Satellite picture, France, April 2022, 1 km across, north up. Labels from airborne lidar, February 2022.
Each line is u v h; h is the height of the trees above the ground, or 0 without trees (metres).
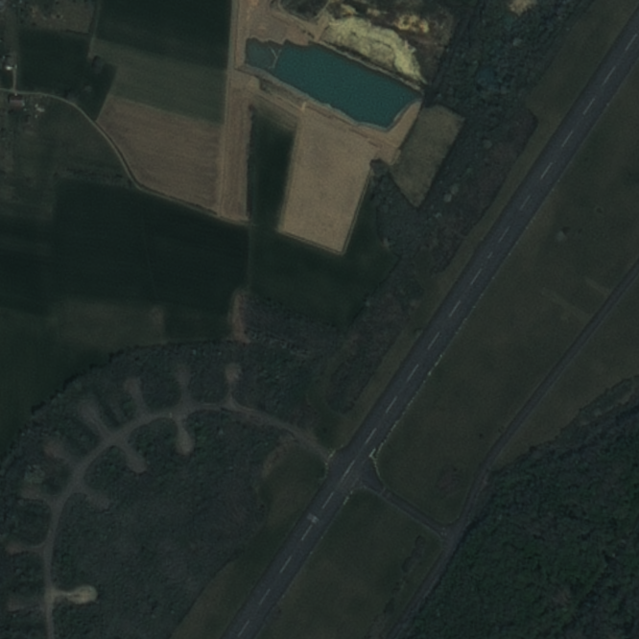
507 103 7
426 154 0
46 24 0
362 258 0
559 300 0
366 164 0
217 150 0
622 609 15
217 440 6
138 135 0
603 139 0
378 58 0
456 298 0
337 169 0
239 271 0
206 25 0
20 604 0
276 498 0
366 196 0
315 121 0
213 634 0
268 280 0
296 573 0
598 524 21
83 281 0
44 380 0
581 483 27
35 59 0
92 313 0
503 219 0
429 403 0
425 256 0
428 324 0
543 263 0
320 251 0
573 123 0
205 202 0
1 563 17
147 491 14
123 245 0
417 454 0
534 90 0
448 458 0
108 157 0
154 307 0
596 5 0
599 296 0
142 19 0
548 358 0
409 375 0
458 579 13
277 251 0
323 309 0
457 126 0
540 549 24
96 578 6
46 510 8
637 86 0
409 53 0
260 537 0
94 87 0
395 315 0
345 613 0
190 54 0
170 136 0
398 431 0
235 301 0
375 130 0
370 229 0
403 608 0
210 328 0
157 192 0
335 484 0
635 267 0
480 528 18
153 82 0
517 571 23
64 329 0
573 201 0
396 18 0
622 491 27
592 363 0
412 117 0
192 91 0
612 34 0
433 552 0
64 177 0
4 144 0
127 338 0
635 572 26
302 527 0
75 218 0
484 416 0
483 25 17
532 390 0
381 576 0
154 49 0
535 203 0
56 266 0
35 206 0
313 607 0
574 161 0
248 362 16
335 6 0
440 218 8
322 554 0
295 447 0
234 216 0
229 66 0
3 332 0
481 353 0
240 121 0
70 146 0
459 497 0
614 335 0
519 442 0
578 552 22
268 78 0
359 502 0
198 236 0
